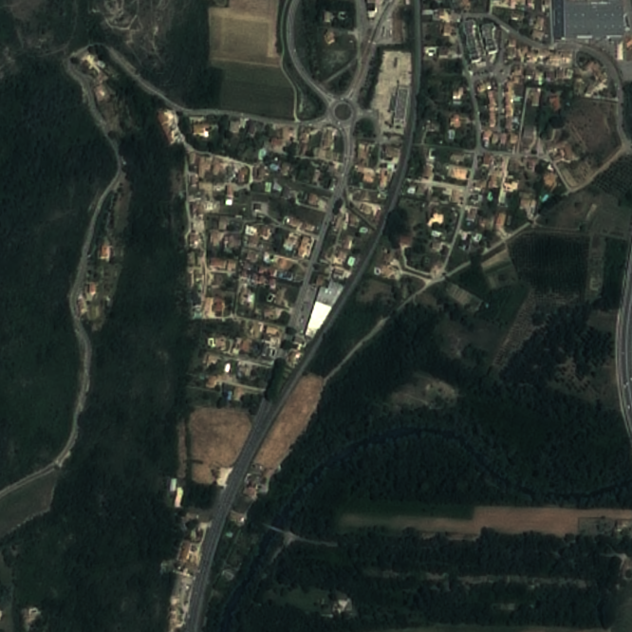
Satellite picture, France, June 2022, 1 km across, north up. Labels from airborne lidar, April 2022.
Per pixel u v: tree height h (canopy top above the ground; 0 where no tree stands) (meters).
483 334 0
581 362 21
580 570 21
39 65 12
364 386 12
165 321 6
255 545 10
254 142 7
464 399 11
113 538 10
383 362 10
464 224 0
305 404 0
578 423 7
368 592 13
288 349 22
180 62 8
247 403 11
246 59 0
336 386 11
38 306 9
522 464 7
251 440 0
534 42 0
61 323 15
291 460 18
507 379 30
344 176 0
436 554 20
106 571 7
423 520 0
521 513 0
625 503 15
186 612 0
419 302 0
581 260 8
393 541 18
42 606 8
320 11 10
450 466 14
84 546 13
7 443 8
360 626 12
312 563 13
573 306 6
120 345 11
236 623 13
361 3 0
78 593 11
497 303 9
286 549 22
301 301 0
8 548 11
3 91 7
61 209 0
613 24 0
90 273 12
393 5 0
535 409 22
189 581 0
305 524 13
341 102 0
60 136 6
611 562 11
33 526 10
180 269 7
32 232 7
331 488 17
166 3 0
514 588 12
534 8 0
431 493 9
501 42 0
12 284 9
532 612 20
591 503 14
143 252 8
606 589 23
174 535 11
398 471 20
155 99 13
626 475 14
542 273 7
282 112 0
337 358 7
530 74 0
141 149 12
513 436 6
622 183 6
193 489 9
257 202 0
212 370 10
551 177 0
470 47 0
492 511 0
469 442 24
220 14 0
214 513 0
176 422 6
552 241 9
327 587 17
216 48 0
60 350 11
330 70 0
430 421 10
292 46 0
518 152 0
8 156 10
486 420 7
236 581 10
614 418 17
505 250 0
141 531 11
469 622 17
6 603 16
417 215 0
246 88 0
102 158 9
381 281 6
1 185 7
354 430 22
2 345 6
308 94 7
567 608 19
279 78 0
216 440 0
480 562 23
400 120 0
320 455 25
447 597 22
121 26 0
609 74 0
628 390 0
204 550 0
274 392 21
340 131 0
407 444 13
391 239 10
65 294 13
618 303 11
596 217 0
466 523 0
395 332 12
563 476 32
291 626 16
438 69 0
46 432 6
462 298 0
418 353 20
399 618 14
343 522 0
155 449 12
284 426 0
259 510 18
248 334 0
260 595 13
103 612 14
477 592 14
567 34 0
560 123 16
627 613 0
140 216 10
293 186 0
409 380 14
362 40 0
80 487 11
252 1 0
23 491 0
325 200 0
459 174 0
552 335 21
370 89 8
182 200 7
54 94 9
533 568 22
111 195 8
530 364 21
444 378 14
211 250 10
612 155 0
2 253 6
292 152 12
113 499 12
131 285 6
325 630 19
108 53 7
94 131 6
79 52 0
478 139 0
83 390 0
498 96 0
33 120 8
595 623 13
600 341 20
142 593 11
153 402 10
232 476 0
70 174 9
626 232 0
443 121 10
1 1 0
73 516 10
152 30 0
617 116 0
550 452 30
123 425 10
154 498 11
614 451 6
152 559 13
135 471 7
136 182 12
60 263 13
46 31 6
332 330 6
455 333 0
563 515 0
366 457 14
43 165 7
